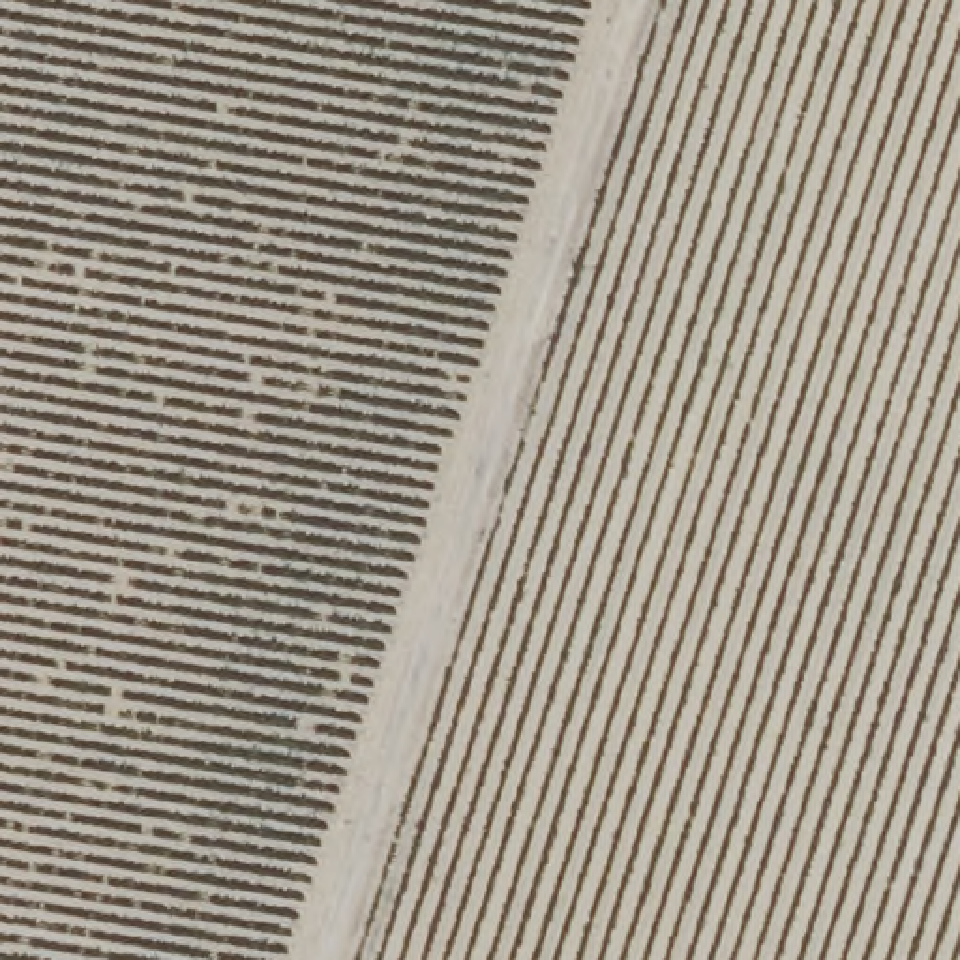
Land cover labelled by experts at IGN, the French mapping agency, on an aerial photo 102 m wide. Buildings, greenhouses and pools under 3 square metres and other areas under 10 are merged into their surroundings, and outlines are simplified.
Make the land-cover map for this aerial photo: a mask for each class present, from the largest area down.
<instances>
[{"label":"vineyard","instance_id":"1","mask_svg":"<svg viewBox=\"0 0 960 960\"><path fill-rule=\"evenodd\" d=\"M589 11L585 0H0V960H285L300 900L311 885L323 829L341 791L345 758L360 731L364 705L371 698V679L379 671L383 645L390 634V615L405 589V570L416 555V544L424 536L439 446L458 431V409L435 405V398L465 405L469 379L484 360L488 323L495 311L499 285L506 278V259L521 233L529 188L544 161L551 116L563 98V90L551 86V79H570L566 71ZM641 8L645 41L634 64L630 94L623 101L619 128L600 169L581 244L570 259V278L555 323L548 330L544 356L533 360L525 371V390L514 413L518 443L503 473V491L495 495L491 525L480 529L484 548L476 559V574L443 664L424 743L416 750L390 829V844L379 866L364 926L356 934L353 960H960V0H634Z\"/></svg>","mask_w":960,"mask_h":960},{"label":"plowed land","instance_id":"2","mask_svg":"<svg viewBox=\"0 0 960 960\"><path fill-rule=\"evenodd\" d=\"M589 11L566 71L570 79H551V86L563 90V98L551 116L544 161L529 188L521 233L506 259V278L499 285L495 311L488 323L484 360L469 379L465 405L435 398V405L458 409V431L439 446L424 536L416 544V555L405 570V589L390 615V634L383 645L379 671L371 679V698L364 705L360 731L345 758L341 791L323 829L311 885L300 900L285 960H353L356 934L364 926L379 866L390 844V829L416 750L424 743L443 664L476 574V559L484 548L480 529L491 525L495 495L503 491V473L518 443L514 413L525 390V371L533 360L544 356L548 330L555 323L570 278V259L581 244L600 169L619 128L623 101L630 94L634 64L645 41L641 8L634 0H585Z\"/></svg>","mask_w":960,"mask_h":960}]
</instances>
